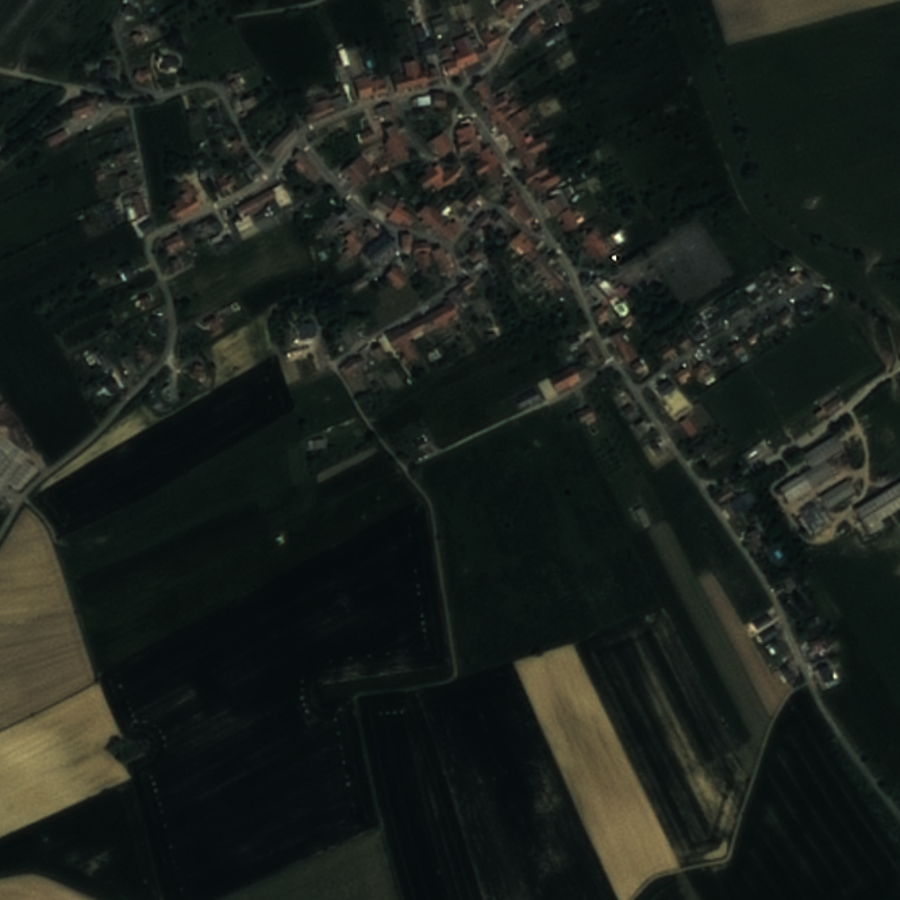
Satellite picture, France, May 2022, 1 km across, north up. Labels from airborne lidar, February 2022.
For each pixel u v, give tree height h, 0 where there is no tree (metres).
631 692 0
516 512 0
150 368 0
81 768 0
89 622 0
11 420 0
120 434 0
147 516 0
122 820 0
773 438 0
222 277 0
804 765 0
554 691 0
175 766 0
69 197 0
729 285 0
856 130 0
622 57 0
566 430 0
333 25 0
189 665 0
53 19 0
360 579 0
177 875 0
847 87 0
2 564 0
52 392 0
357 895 0
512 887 0
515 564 0
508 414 0
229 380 0
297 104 0
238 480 0
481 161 0
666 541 0
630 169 0
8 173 0
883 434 0
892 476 0
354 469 0
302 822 0
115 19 0
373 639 0
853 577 0
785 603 16
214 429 0
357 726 0
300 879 0
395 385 0
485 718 0
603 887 0
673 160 0
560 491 0
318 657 0
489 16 0
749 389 0
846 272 0
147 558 0
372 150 0
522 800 0
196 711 0
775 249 0
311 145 0
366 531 0
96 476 0
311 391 0
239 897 0
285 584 0
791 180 0
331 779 0
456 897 0
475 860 0
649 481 0
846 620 0
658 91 0
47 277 0
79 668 0
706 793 0
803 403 0
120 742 12
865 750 0
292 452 0
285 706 0
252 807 0
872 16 0
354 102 0
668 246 0
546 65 13
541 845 0
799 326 0
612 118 0
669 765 0
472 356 0
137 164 0
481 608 0
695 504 0
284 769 0
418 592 0
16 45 0
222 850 0
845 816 0
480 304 0
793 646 0
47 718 0
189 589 0
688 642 0
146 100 11
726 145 0
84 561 0
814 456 0
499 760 0
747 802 0
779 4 0
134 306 0
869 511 0
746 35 0
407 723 0
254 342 0
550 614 0
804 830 0
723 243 0
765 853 0
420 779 0
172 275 0
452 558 0
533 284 0
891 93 0
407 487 0
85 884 0
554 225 0
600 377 6
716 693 0
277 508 0
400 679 0
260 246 0
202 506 0
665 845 0
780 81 0
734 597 0
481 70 0
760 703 0
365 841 0
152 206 0
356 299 0
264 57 0
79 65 12
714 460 0
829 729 0
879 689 0
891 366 0
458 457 0
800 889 0
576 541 0
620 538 0
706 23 7
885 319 11
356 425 0
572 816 0
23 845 0
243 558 0
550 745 0
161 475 0
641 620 0
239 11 0
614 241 0
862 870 0
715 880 0
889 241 0
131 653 0
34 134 8
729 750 0
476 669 0
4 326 0
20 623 0
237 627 0
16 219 0
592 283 0
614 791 0
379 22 0
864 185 0
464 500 0
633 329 0
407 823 0
